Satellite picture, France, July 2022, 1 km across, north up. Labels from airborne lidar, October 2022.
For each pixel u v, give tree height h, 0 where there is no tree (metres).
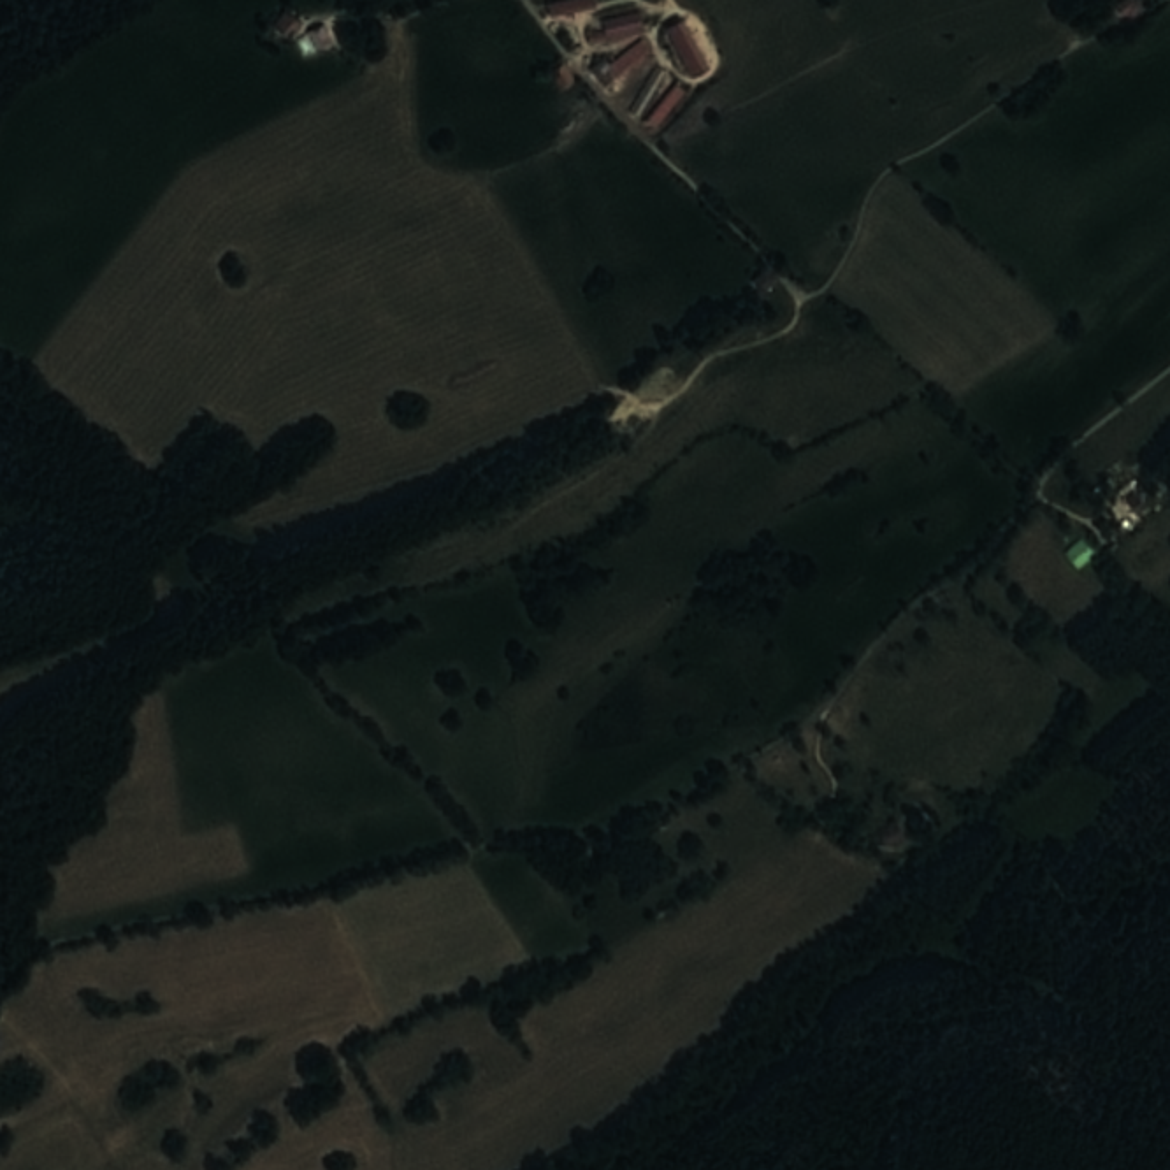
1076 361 0
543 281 0
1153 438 0
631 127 0
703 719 0
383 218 0
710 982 0
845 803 16
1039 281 0
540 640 0
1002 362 0
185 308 0
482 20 0
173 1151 21
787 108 0
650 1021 0
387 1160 0
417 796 0
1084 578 0
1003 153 0
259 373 0
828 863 0
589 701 0
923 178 0
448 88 0
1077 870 26
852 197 0
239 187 0
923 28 0
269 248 0
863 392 0
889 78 0
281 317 0
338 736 0
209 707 0
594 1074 0
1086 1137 26
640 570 0
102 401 0
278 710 0
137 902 0
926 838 19
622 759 0
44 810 19
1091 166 0
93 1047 0
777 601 23
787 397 0
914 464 0
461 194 0
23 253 0
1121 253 0
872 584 0
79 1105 0
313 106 0
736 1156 6
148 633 24
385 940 0
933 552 0
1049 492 0
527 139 0
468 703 0
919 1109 24
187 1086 0
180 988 0
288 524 0
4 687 0
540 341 0
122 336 0
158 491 19
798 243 0
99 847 0
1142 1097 26
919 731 0
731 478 0
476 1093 0
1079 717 28
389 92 0
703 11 0
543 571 17
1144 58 0
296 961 0
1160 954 26
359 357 0
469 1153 0
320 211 0
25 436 22
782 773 0
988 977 20
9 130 0
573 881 17
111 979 0
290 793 0
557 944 0
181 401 0
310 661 20
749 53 0
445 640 0
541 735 0
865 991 33
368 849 0
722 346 0
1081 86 0
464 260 0
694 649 0
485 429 0
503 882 0
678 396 0
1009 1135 26
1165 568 0
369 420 0
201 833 0
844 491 19
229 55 0
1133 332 0
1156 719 26
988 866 24
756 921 0
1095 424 0
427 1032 0
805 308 0
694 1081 20
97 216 0
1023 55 0
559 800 0
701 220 0
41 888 20
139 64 0
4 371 20
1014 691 0
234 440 23
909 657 0
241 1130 0
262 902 11
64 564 20
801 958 17
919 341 0
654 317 0
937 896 31
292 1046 0
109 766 21
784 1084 23
